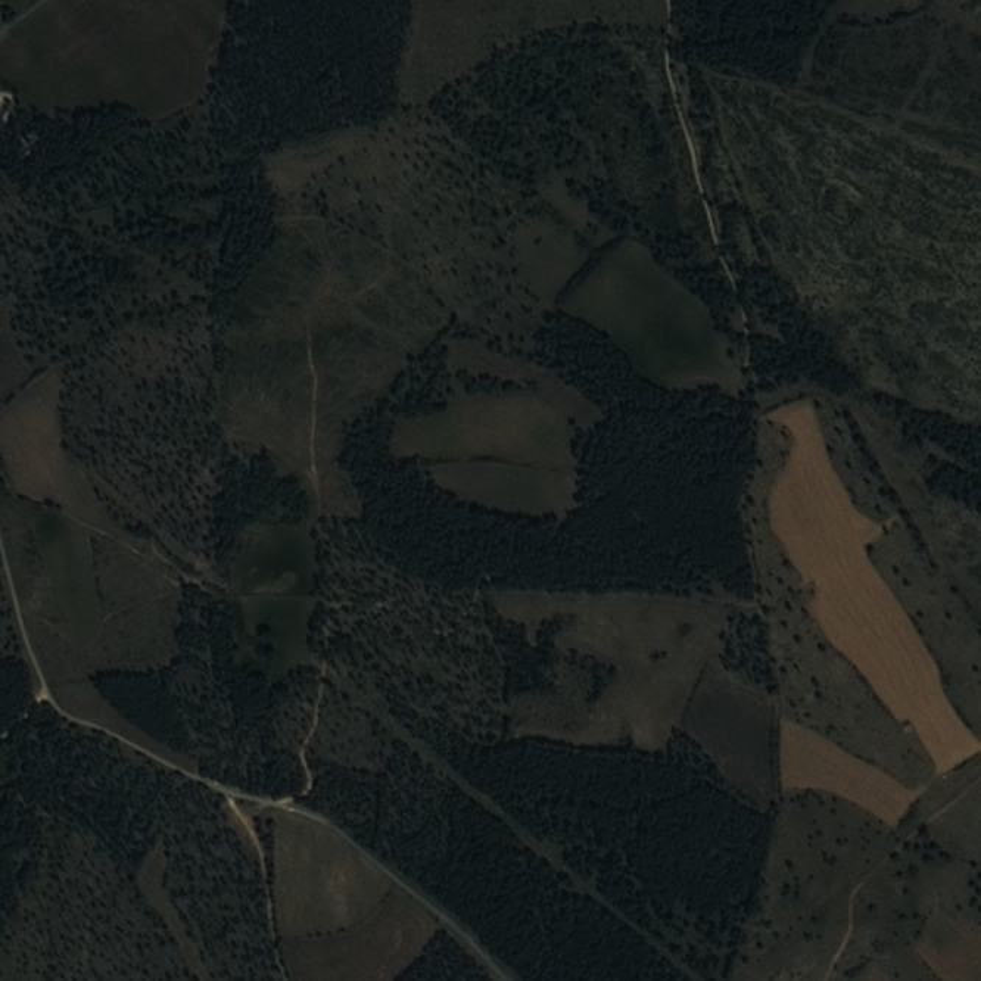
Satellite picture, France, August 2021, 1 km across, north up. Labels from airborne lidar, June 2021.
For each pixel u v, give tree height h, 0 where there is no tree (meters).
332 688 13
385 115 14
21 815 10
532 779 18
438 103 11
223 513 14
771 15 20
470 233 0
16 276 12
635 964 13
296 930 0
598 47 14
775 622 0
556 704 0
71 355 9
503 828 18
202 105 7
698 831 17
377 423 11
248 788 9
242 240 9
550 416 0
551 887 13
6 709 13
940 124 0
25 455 0
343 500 0
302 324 0
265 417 0
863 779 0
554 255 0
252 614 0
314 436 0
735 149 0
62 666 0
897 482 0
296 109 13
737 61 17
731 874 13
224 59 12
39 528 0
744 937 9
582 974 10
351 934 0
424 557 15
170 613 0
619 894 14
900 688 0
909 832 0
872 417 0
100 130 15
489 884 16
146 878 0
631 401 12
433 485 9
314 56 13
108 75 0
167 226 11
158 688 13
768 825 14
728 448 12
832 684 0
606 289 0
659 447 11
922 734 0
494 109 7
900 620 0
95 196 11
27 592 0
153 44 0
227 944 8
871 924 0
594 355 17
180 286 0
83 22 0
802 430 0
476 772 19
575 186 11
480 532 19
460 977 11
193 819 12
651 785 19
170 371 9
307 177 0
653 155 11
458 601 10
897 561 0
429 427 0
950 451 14
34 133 10
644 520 13
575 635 0
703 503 15
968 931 0
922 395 0
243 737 9
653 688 0
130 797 10
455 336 6
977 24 0
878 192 0
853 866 0
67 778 12
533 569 17
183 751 10
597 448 16
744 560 11
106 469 13
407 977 11
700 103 10
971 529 0
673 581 16
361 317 0
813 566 0
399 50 10
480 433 0
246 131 12
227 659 12
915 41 0
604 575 14
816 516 0
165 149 14
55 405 0
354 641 15
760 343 11
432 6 0
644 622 0
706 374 0
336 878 0
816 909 0
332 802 5
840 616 0
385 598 11
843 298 0
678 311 0
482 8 0
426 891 11
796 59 17
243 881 11
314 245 0
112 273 13
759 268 6
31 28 0
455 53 0
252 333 0
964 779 0
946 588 0
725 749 0
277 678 0
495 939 13
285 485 14
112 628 0
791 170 0
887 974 0
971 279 0
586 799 14
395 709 15
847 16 6
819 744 0
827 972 0
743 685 0
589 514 16
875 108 0
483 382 12
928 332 0
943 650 0
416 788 13
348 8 12
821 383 12
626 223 12
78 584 0
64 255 8
